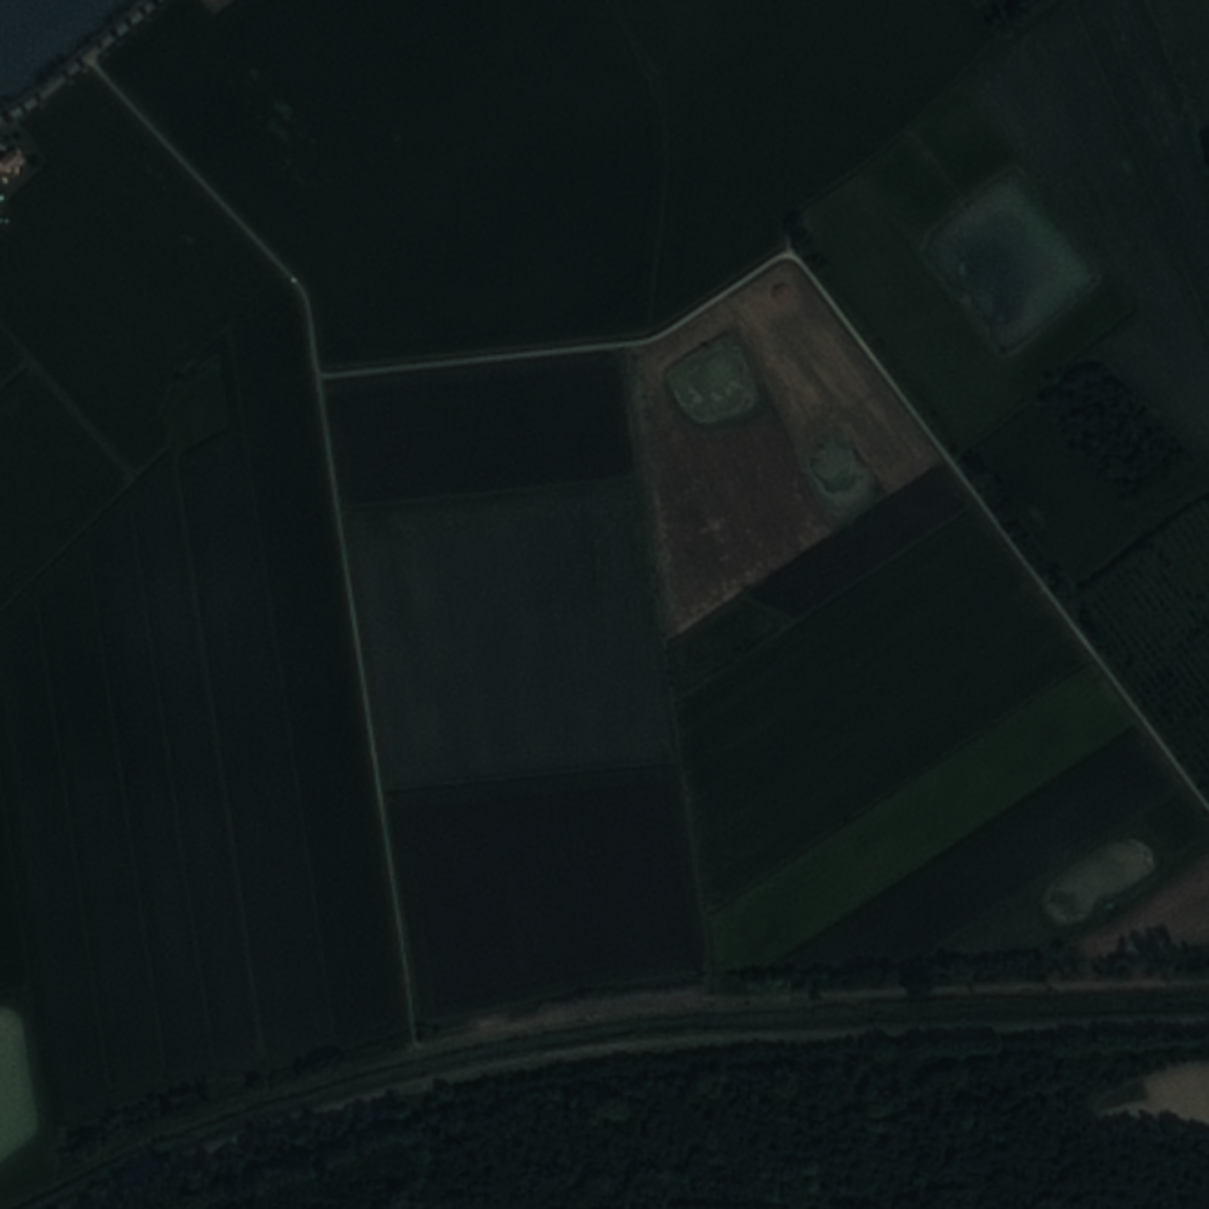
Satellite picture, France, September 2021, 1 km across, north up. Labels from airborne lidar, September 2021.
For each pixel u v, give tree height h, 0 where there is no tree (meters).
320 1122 13
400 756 0
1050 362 0
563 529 0
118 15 7
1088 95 0
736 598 0
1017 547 6
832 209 0
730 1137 14
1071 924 0
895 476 0
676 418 0
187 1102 7
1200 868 0
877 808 0
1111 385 10
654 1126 12
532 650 0
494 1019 0
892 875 0
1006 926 0
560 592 0
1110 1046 17
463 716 0
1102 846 0
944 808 0
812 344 0
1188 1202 12
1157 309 0
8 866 0
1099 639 17
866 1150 13
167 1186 23
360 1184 17
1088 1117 18
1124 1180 11
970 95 0
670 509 0
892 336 0
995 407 0
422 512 0
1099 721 0
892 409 0
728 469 0
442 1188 15
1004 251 0
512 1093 8
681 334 0
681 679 0
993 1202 12
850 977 12
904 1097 16
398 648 0
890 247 0
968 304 0
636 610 0
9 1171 0
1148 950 20
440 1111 13
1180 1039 18
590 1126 12
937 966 9
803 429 0
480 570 0
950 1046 19
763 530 0
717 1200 8
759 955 0
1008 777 0
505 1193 13
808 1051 9
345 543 0
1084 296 0
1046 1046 10
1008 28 20
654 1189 14
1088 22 0
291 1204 20
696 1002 0
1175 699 12
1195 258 0
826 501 0
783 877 0
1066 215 0
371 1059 0
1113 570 5
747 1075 13
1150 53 0
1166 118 0
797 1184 11
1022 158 0
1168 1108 0
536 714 0
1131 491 9
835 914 0
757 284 0
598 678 0
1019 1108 19
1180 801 0
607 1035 0
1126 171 0
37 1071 0
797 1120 19
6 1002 0
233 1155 13
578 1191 14
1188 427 0
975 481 19
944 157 0
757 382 0
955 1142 10
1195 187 0
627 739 0
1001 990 0
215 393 0
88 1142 16
